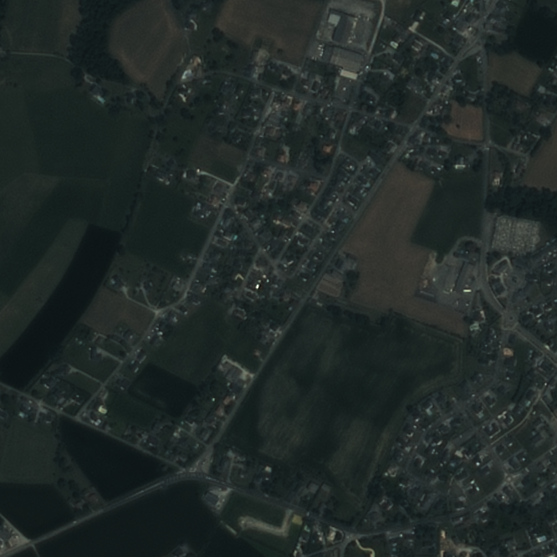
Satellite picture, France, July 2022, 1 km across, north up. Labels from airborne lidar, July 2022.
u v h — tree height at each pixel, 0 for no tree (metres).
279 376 0
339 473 0
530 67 0
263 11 0
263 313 7
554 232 0
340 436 0
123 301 0
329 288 0
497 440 0
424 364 0
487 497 0
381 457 0
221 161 0
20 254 0
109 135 0
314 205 0
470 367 0
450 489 0
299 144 0
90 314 0
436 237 0
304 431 0
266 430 0
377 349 0
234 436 0
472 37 0
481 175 0
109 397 0
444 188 0
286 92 0
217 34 15
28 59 0
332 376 0
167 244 0
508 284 0
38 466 0
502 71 0
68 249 0
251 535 0
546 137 19
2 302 0
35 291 0
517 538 0
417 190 0
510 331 0
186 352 0
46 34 0
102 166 0
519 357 0
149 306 0
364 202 0
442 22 0
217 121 0
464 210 0
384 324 14
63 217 0
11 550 0
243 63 0
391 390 0
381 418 0
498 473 0
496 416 0
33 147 0
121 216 0
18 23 0
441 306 0
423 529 16
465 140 0
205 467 0
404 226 0
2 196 0
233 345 0
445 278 0
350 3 0
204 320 0
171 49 0
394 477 0
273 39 0
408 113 0
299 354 0
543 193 8
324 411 0
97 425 0
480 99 13
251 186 7
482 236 0
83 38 16
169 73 0
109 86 0
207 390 12
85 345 0
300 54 0
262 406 0
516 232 0
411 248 0
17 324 0
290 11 0
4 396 12
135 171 0
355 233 0
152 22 0
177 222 0
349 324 0
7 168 0
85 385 0
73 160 0
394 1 0
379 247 0
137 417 0
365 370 0
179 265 0
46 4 0
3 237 0
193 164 0
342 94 0
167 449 6
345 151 0
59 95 0
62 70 0
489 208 16
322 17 0
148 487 0
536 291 0
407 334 0
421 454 0
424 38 0
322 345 0
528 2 8
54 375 8
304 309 0
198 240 0
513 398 7
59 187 0
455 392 0
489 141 0
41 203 0
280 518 0
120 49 0
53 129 0
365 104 9
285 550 0
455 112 0
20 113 0
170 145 0
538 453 0
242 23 0
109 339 6
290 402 0
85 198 0
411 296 0
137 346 0
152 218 0
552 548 8
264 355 0
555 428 0
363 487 0
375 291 0
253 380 0
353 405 0
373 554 0
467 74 0
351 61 0
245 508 0
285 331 0
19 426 0
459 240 0
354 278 10
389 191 0
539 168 0
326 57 0
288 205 8
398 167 0
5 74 0
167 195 0
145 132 0
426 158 0
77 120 0
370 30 0
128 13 0
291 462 0
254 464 9
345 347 0
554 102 8
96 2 17
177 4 16
